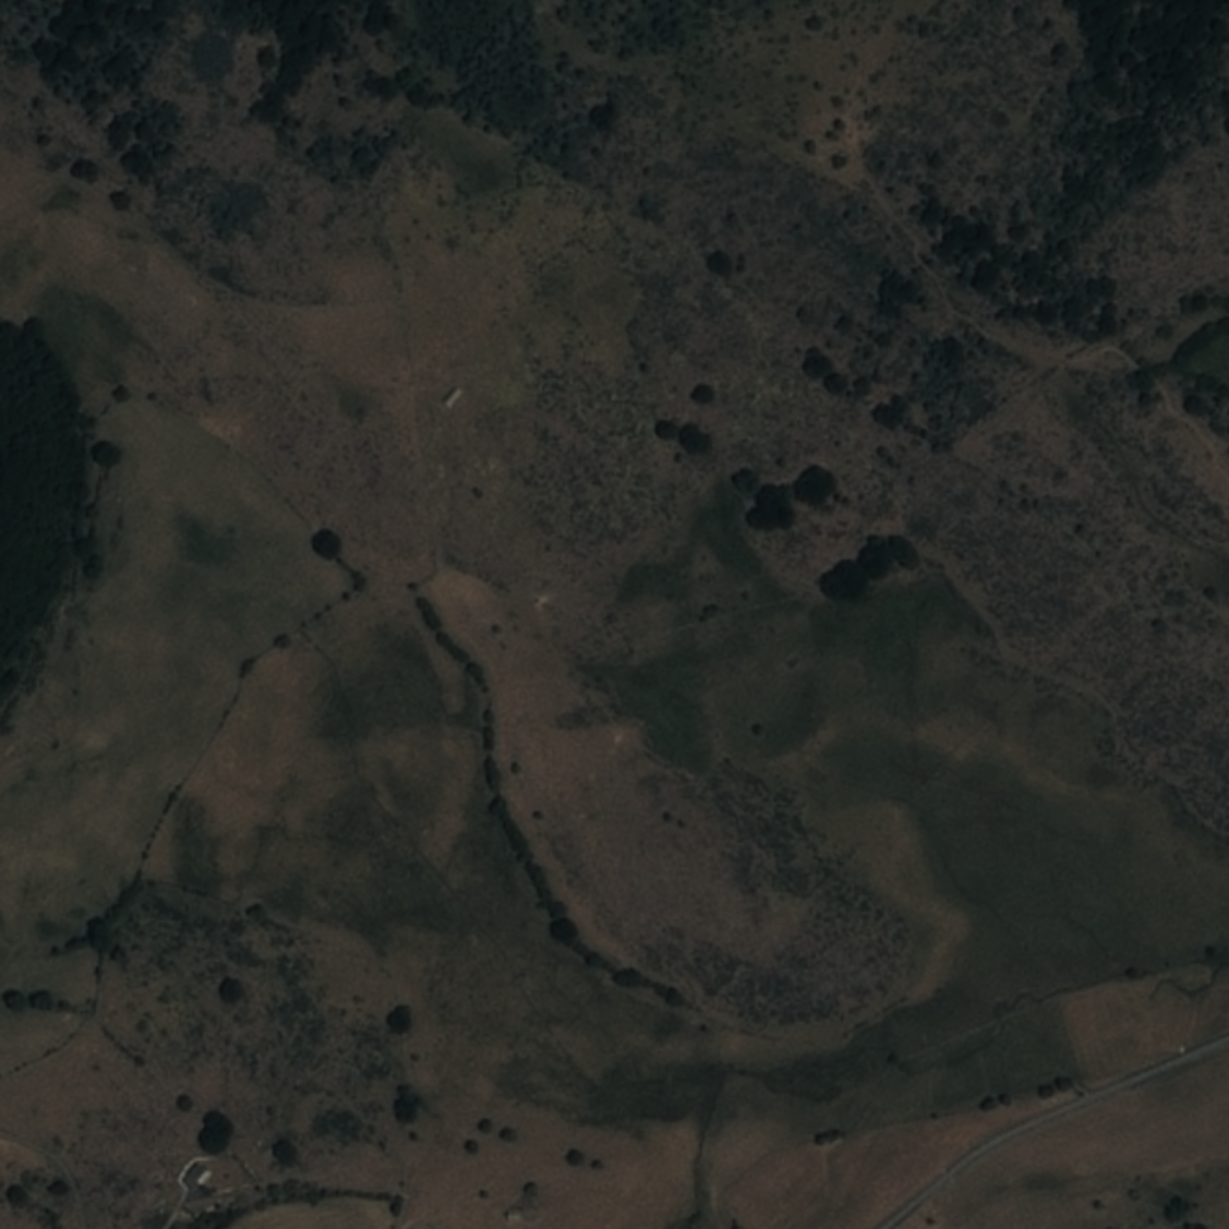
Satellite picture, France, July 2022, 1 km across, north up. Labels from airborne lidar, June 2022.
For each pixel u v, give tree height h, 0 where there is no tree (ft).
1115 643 0
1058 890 0
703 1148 0
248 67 0
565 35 0
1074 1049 0
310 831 0
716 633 0
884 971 0
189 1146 0
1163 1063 0
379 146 30
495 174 0
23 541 48
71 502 50
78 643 0
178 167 0
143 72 22
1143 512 0
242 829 0
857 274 0
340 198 0
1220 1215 0
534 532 0
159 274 0
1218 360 0
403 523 0
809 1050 0
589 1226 0
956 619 0
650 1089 0
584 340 0
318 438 0
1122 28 32
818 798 0
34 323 37
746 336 0
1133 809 0
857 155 0
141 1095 0
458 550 0
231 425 0
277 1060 0
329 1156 0
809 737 0
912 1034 0
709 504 0
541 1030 0
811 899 0
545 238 0
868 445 0
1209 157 0
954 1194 0
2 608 56
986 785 0
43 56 42
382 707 0
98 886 0
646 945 0
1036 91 0
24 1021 0
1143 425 0
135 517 0
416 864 0
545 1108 0
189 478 0
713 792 0
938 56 0
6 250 0
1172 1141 0
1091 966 0
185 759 0
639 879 0
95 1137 0
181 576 0
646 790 0
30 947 0
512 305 0
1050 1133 0
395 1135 0
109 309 0
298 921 0
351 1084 0
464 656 21
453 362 0
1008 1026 0
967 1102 0
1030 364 0
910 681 0
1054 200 24
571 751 0
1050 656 0
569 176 28
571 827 0
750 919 0
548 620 0
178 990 0
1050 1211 0
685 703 0
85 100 24
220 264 0
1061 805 0
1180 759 0
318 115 0
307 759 0
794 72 0
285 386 0
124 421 0
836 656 0
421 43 23
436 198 0
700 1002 0
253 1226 0
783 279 0
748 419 0
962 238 43
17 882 0
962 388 37
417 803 0
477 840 0
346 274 0
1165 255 0
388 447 0
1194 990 0
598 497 0
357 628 0
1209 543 0
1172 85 45
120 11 39
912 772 0
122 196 43
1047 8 0
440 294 0
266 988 0
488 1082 0
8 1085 0
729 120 0
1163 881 0
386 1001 0
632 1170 0
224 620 0
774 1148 0
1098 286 33
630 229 0
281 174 0
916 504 0
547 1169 0
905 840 0
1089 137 37
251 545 0
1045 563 0
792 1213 0
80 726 0
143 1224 0
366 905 0
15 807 0
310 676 0
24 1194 30
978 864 0
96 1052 0
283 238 0
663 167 0
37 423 54
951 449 26
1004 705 0
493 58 19
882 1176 0
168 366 0
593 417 0
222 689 0
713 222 0
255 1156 0
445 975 0
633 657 0
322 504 0
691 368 0
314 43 46
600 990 0
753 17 0
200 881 0
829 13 0
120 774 0
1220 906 0
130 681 0
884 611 0
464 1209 0
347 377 0
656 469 0
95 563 32
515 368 0
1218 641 0
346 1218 0
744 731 0
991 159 0
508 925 0
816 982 0
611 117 44
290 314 0
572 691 0
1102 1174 0
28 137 0
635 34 27
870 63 0
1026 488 20
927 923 0
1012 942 0
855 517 0
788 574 0
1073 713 0
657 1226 0
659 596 0
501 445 0
